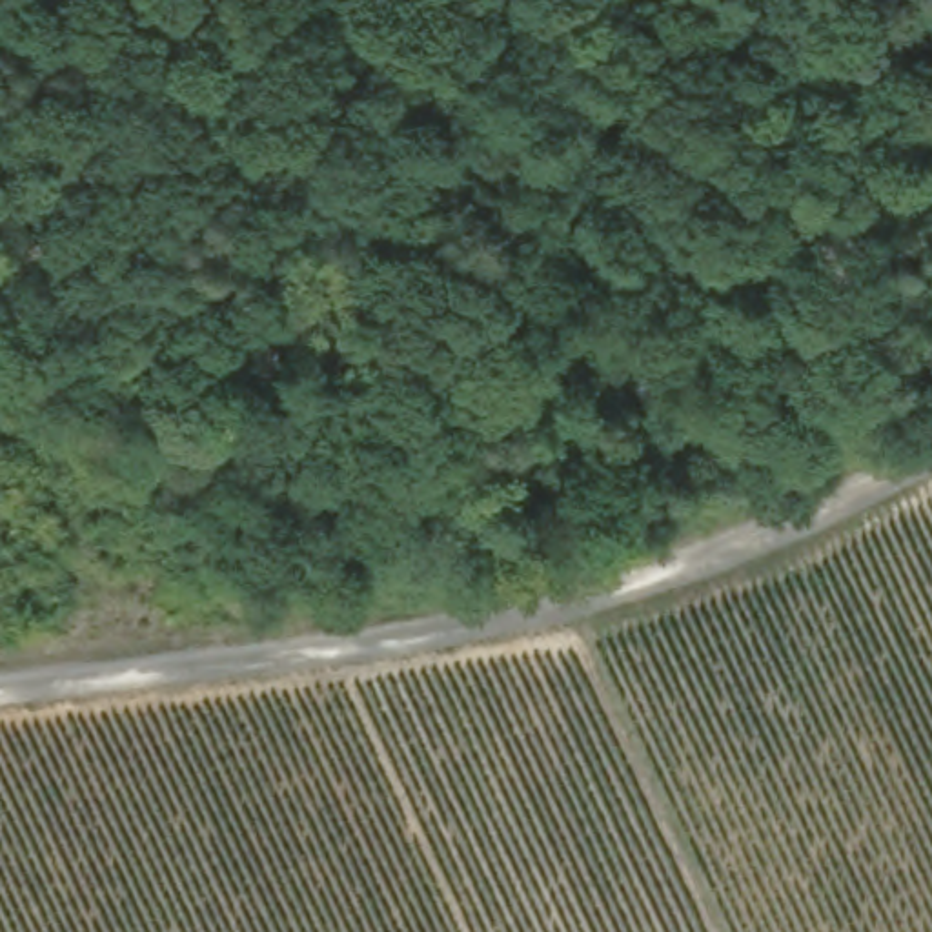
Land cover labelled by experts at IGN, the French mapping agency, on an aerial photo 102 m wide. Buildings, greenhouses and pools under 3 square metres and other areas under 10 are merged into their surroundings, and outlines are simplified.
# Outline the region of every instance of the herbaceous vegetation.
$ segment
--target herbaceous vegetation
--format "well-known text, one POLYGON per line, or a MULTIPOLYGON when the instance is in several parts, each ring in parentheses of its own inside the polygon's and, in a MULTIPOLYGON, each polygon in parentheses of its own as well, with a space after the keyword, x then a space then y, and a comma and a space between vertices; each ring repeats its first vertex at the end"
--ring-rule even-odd
POLYGON ((881 484, 866 510, 856 510, 826 528, 812 521, 805 528, 808 535, 794 539, 790 546, 775 546, 768 553, 757 553, 743 564, 699 579, 663 583, 648 593, 637 593, 615 608, 597 612, 590 626, 593 644, 601 637, 659 623, 666 615, 681 615, 699 604, 714 604, 728 593, 746 593, 786 575, 808 572, 834 557, 841 546, 852 546, 863 535, 888 528, 899 517, 932 502, 932 473, 910 473, 903 481, 881 484))
POLYGON ((0 648, 0 677, 7 670, 69 663, 131 666, 146 655, 251 641, 244 633, 226 630, 167 626, 157 608, 109 593, 91 612, 76 608, 69 615, 69 630, 55 644, 36 644, 25 652, 0 648))

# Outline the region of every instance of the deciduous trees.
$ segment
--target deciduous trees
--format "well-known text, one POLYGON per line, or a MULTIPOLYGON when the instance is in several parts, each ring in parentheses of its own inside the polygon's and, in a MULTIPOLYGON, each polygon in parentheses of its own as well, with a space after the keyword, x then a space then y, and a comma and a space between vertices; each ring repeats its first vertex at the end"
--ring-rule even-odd
POLYGON ((244 633, 251 641, 309 633, 350 637, 371 623, 379 626, 426 612, 448 615, 473 630, 506 612, 535 615, 542 601, 568 608, 590 597, 604 597, 623 583, 626 572, 670 561, 670 550, 677 542, 710 539, 735 524, 757 521, 772 532, 805 528, 812 521, 819 502, 841 488, 845 477, 874 473, 874 481, 881 484, 903 481, 910 473, 932 473, 932 0, 0 0, 0 648, 25 652, 36 644, 55 644, 69 630, 69 615, 76 608, 91 612, 109 593, 157 608, 167 626, 226 630, 244 633))

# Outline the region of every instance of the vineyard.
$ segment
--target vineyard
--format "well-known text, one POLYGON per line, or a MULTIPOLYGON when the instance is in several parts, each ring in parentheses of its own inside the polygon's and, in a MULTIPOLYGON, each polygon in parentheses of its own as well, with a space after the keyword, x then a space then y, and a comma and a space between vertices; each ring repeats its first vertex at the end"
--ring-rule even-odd
POLYGON ((932 502, 899 517, 888 528, 863 535, 852 546, 841 546, 834 557, 808 572, 786 575, 746 593, 728 593, 714 604, 699 604, 681 615, 666 615, 659 623, 601 637, 593 644, 586 641, 575 652, 528 652, 517 659, 386 674, 357 681, 357 688, 350 692, 342 681, 320 681, 299 692, 208 699, 197 706, 146 706, 84 717, 69 714, 58 721, 29 724, 0 721, 0 932, 932 932, 932 502))

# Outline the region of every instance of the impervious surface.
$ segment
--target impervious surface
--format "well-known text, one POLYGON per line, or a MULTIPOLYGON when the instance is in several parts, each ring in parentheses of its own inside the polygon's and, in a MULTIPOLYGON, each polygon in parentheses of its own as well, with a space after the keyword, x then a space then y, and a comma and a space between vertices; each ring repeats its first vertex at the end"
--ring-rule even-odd
POLYGON ((299 692, 320 681, 342 681, 350 692, 357 688, 357 681, 386 674, 517 659, 528 652, 575 652, 586 641, 593 644, 590 626, 597 612, 615 608, 637 593, 648 593, 663 583, 699 579, 743 564, 757 553, 768 553, 775 546, 790 546, 794 539, 808 535, 805 528, 772 532, 757 521, 735 524, 710 539, 677 542, 670 550, 670 561, 626 572, 623 583, 604 597, 590 597, 568 608, 542 601, 535 615, 506 612, 473 630, 448 615, 426 612, 379 626, 371 623, 350 637, 309 633, 251 641, 146 655, 131 666, 69 663, 7 670, 0 677, 0 721, 29 724, 58 721, 69 714, 84 717, 146 706, 197 706, 208 699, 299 692))
POLYGON ((856 510, 866 510, 881 484, 874 481, 874 473, 845 477, 841 488, 819 502, 812 521, 826 528, 856 510))

